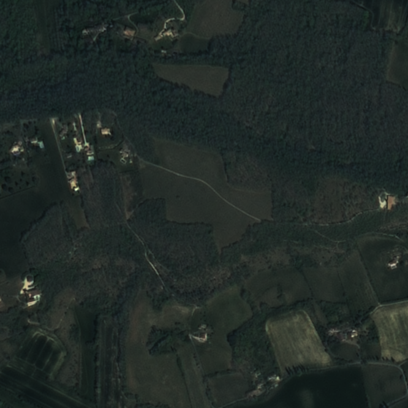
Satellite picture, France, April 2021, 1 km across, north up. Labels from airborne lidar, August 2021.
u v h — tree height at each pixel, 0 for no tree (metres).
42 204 0
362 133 15
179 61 12
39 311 15
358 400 0
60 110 13
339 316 9
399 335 0
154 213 10
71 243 14
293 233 14
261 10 11
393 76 0
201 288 7
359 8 21
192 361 0
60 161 0
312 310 10
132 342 0
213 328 6
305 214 7
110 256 17
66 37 9
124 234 13
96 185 14
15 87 9
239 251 15
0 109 19
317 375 0
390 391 0
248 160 16
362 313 8
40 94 12
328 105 14
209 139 21
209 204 0
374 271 0
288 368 0
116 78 22
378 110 17
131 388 0
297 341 0
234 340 14
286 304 13
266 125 14
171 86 17
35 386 0
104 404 0
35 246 17
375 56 21
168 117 22
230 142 18
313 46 19
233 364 16
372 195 8
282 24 22
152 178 0
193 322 0
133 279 10
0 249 0
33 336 0
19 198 0
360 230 15
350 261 0
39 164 0
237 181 15
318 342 0
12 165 17
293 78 20
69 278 17
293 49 22
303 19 21
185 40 0
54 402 0
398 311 0
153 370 0
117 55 18
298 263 7
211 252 12
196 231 13
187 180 0
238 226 0
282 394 0
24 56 9
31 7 13
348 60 19
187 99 23
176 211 0
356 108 18
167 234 12
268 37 23
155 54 16
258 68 25
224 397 0
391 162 22
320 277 0
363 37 23
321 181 11
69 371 0
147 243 8
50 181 0
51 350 0
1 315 14
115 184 18
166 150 0
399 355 0
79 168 10
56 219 18
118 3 13
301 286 0
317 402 0
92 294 19
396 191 17
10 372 0
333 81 16
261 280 0
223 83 0
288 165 15
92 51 17
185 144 6
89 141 0
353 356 0
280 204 11
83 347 0
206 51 0
